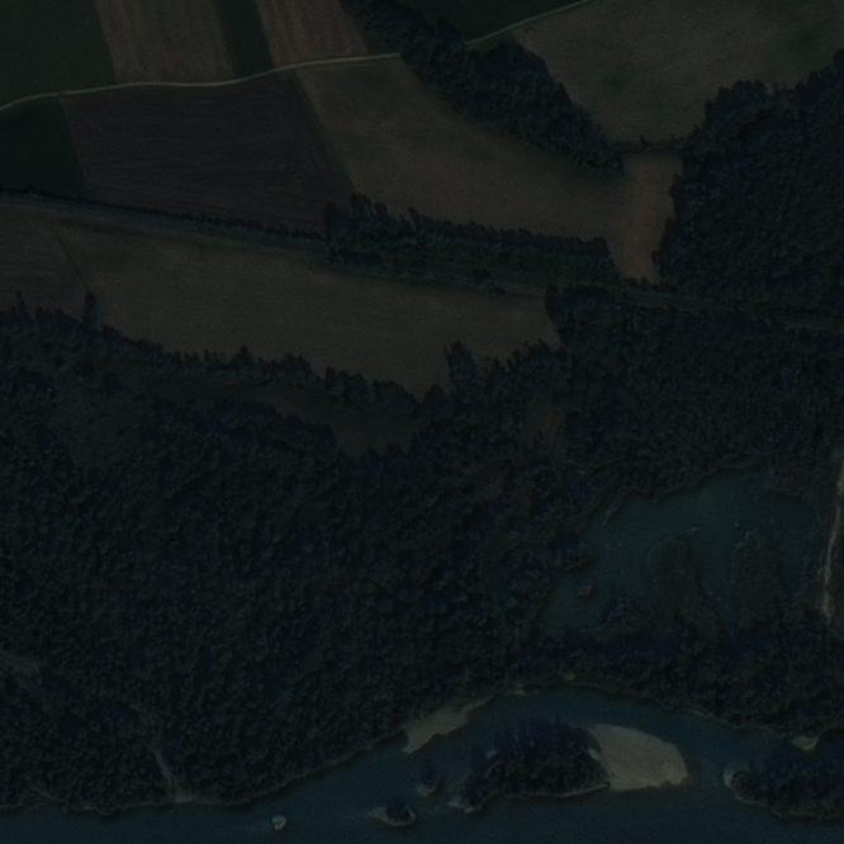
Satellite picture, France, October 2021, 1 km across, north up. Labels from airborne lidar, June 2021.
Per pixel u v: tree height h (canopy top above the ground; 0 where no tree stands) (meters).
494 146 0
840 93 17
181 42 0
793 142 19
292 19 0
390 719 15
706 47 0
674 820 0
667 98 0
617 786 0
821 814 9
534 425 0
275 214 0
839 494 0
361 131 0
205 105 0
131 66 0
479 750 0
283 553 5
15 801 19
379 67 0
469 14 0
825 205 19
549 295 0
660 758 0
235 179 0
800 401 18
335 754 16
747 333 22
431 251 14
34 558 14
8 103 0
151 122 0
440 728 0
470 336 0
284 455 16
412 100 0
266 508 14
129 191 0
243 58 0
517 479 17
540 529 9
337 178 0
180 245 0
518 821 0
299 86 0
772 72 0
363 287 0
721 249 23
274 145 0
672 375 15
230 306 0
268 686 9
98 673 22
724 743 0
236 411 7
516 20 0
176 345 0
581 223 0
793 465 17
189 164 0
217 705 30
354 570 28
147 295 0
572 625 0
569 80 0
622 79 0
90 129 0
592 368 12
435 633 18
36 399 17
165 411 15
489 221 0
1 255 0
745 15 0
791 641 21
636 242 0
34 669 0
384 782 0
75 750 17
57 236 0
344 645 23
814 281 22
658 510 0
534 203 0
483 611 23
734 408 9
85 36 0
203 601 21
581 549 14
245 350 0
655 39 0
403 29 20
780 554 0
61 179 0
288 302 0
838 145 21
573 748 17
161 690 25
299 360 0
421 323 0
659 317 11
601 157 19
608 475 9
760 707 21
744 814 0
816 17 0
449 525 8
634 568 0
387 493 15
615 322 9
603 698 0
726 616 0
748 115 23
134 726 22
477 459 13
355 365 0
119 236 0
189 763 7
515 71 23
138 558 24
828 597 0
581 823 0
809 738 8
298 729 8
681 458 20
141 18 0
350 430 0
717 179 19
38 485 20
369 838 0
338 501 21
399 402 17
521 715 0
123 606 20
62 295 0
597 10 0
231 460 23
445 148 0
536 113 25
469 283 9
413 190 0
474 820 0
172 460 17
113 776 24
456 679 22
